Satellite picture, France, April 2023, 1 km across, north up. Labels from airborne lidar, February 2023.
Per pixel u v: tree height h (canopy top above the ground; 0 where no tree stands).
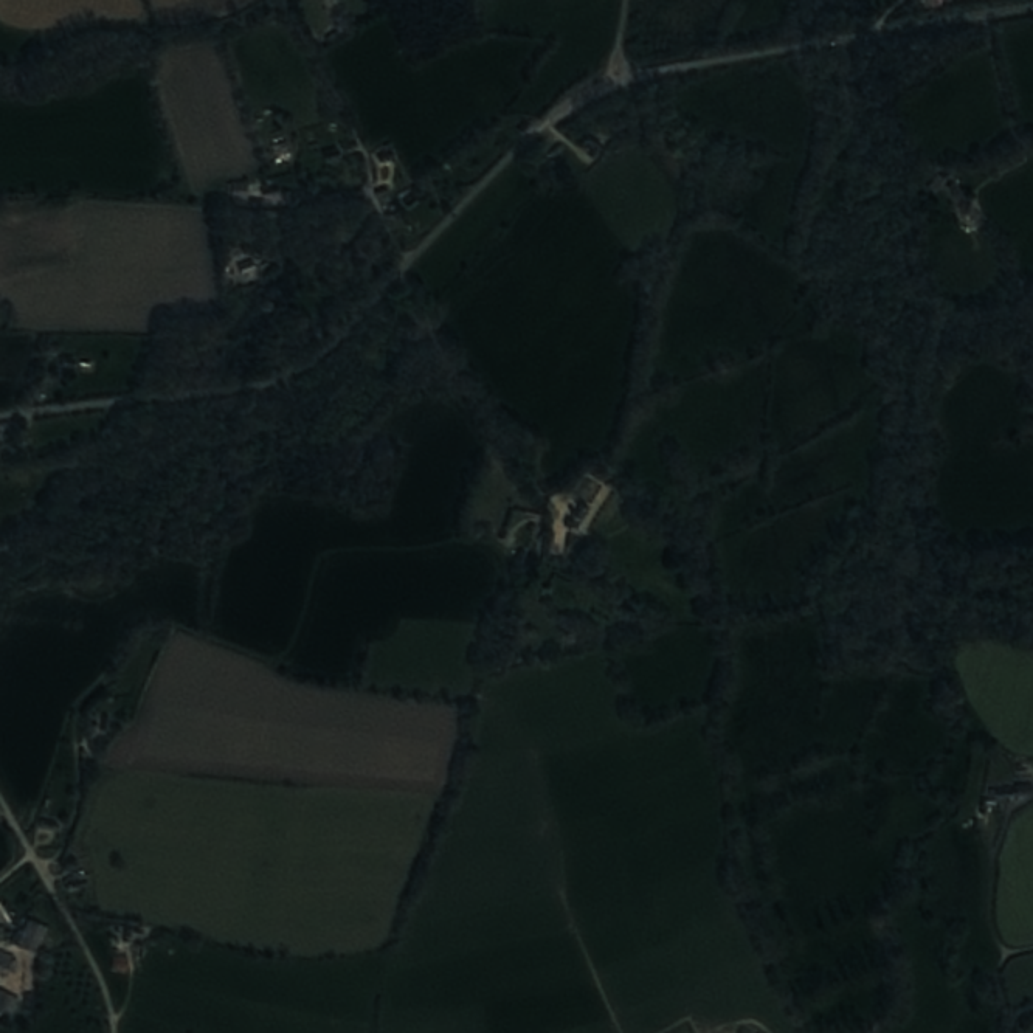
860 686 0
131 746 0
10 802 0
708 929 0
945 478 0
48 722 0
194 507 26
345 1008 0
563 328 0
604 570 22
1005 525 0
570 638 12
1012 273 17
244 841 0
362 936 0
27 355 0
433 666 0
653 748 0
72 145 0
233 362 19
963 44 14
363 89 0
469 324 0
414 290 24
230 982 0
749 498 0
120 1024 0
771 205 0
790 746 0
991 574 25
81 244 0
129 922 13
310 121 0
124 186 0
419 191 11
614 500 0
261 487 16
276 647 0
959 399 0
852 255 16
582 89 0
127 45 19
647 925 0
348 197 22
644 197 0
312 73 9
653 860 0
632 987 0
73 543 36
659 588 0
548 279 0
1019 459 0
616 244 0
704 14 0
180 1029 0
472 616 0
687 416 0
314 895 0
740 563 0
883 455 24
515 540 0
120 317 0
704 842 0
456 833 0
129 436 22
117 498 39
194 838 0
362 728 0
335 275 19
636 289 14
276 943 0
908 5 7
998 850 0
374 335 22
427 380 19
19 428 16
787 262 10
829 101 12
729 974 0
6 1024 18
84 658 0
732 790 15
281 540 0
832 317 6
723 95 0
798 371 0
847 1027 29
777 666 0
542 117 7
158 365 22
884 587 23
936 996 0
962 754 0
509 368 0
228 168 0
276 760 0
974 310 19
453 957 0
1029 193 0
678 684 0
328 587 0
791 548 0
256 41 0
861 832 0
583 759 0
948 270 0
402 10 23
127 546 19
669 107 16
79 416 6
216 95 0
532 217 0
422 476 0
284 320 19
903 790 0
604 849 0
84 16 0
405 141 0
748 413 0
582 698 0
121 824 0
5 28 0
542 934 0
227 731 0
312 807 0
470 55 0
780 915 31
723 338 0
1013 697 0
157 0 0
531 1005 0
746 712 0
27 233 0
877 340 19
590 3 0
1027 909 0
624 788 0
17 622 0
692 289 0
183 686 0
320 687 12
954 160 16
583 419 0
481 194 0
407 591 0
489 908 0
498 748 0
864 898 0
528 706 0
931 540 28
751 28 0
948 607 20
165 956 0
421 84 0
